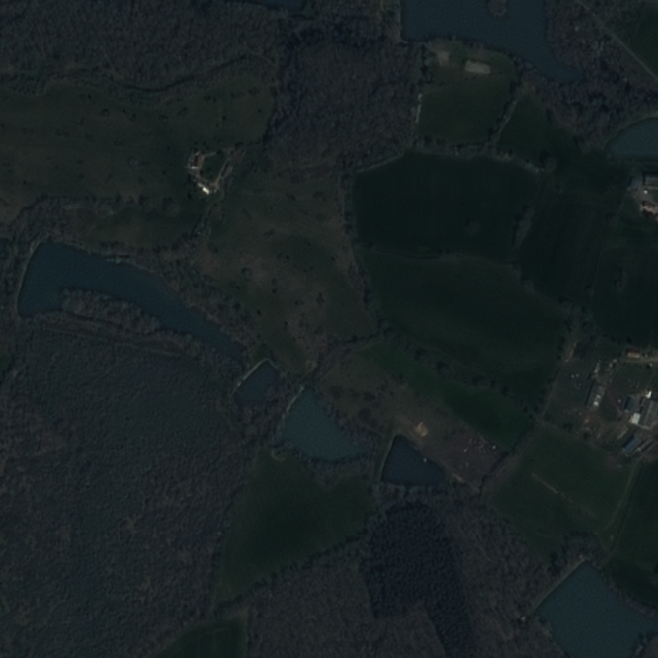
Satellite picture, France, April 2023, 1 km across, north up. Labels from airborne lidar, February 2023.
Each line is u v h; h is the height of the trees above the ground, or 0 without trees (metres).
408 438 0
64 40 26
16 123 0
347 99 26
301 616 21
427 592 21
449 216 0
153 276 0
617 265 0
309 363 0
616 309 0
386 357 0
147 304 0
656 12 0
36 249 0
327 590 19
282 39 12
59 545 7
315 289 0
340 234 0
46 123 0
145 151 0
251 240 0
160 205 0
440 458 0
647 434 0
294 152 17
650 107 21
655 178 0
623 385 0
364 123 23
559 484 0
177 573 9
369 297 15
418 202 0
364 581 16
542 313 0
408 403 0
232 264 0
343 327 0
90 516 8
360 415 0
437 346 0
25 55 22
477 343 0
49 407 6
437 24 0
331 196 0
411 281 0
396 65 21
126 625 6
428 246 0
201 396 8
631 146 0
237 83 0
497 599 21
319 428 0
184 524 7
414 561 23
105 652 6
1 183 0
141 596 8
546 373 0
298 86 21
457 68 0
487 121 0
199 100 0
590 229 0
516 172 0
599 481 0
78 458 7
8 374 11
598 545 19
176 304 0
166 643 15
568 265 0
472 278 0
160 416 7
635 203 0
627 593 9
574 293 0
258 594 14
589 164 0
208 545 12
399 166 0
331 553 13
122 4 20
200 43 23
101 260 0
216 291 16
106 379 6
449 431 0
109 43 22
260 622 16
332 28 19
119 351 7
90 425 10
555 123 23
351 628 25
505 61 0
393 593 18
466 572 21
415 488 14
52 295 0
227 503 8
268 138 10
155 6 22
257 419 16
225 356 5
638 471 0
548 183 0
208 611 18
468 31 0
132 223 0
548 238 0
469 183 0
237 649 0
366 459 16
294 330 0
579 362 0
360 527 0
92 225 0
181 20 23
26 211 12
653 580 0
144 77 22
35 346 10
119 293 0
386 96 23
